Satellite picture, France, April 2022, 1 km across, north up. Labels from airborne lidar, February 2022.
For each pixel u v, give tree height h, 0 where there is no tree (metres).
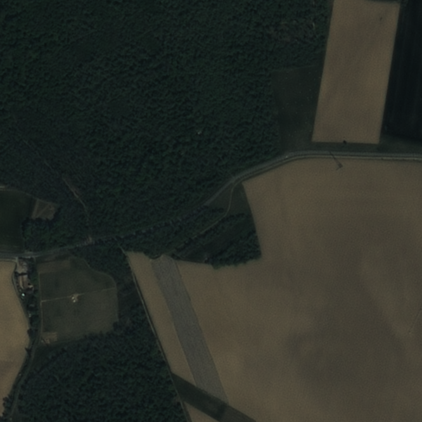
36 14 16
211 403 0
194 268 0
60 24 13
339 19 0
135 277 0
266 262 0
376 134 0
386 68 0
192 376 0
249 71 11
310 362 0
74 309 0
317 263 0
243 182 0
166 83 14
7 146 20
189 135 21
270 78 10
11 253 0
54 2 14
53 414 9
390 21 0
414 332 0
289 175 0
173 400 16
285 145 0
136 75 11
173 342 0
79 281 0
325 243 0
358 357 0
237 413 0
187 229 12
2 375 0
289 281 0
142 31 12
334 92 0
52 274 0
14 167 17
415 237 0
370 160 0
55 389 17
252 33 12
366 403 0
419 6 0
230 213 0
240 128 16
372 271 0
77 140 11
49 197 17
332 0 0
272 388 0
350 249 0
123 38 12
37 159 21
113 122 12
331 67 0
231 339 0
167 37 14
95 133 14
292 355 0
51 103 13
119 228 18
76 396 8
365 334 0
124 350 20
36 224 17
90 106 12
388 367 0
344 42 0
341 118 0
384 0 0
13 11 18
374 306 0
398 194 0
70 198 21
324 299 0
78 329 0
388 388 0
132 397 19
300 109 0
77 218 21
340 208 0
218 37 7
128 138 15
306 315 0
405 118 0
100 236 20
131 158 11
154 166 23
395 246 0
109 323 0
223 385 0
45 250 19
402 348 0
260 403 0
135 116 14
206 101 13
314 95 0
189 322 0
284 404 0
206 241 10
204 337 0
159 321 0
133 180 17
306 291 0
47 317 0
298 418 0
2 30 18
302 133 0
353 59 0
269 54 12
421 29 0
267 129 14
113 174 10
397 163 0
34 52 22
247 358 0
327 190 0
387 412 0
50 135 16
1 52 15
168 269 0
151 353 10
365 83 0
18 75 15
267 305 0
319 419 0
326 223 0
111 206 18
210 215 15
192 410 0
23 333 0
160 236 16
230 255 9
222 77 13
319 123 0
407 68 0
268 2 16
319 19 14
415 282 0
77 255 11
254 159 10
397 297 0
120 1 10
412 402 0
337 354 0
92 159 18
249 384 0
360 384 0
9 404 16
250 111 13
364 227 0
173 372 0
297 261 0
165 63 6
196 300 0
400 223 0
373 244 0
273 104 13
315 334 0
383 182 0
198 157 19
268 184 0
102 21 10
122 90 13
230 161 12
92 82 11
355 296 0
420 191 0
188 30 14
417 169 0
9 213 0
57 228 20
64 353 14
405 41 0
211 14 12
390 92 0
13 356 0
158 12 12
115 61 12
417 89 0
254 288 0
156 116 13
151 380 15
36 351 0
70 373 18
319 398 0
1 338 0
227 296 0
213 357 0
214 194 0
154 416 18
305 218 0
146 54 16
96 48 9
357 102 0
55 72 15
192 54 11
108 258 20
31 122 17
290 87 0
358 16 0
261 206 0
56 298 0
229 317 0
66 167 16
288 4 14
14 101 21
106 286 0
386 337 0
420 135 0
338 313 0
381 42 0
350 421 0
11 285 0
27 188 16
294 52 12
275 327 0
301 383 0
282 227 0
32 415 15
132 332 19
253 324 0
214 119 17
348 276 0
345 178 0
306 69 0
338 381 0
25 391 21
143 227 7
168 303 0
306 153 0
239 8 11
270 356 0
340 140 0
